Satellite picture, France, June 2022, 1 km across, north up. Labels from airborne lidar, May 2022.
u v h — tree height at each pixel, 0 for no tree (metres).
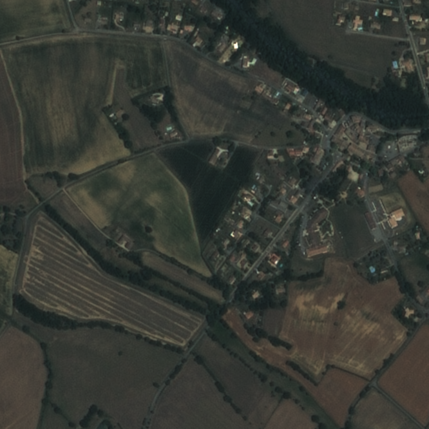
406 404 0
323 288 0
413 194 0
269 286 10
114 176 0
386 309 0
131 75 0
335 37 0
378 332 0
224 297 13
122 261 0
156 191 0
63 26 0
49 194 0
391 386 0
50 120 0
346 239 0
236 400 0
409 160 6
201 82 0
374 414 0
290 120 0
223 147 0
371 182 0
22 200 0
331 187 12
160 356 0
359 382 0
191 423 0
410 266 0
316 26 0
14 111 0
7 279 0
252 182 0
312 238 0
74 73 0
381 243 0
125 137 9
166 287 0
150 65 0
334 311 0
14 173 0
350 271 0
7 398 0
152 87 0
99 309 0
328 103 13
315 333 0
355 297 0
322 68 16
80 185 0
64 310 0
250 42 15
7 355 0
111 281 0
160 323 0
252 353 18
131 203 0
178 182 0
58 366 0
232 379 0
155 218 0
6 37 0
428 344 0
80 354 0
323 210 0
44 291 0
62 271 0
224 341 0
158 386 7
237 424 0
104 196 0
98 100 0
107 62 0
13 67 0
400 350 0
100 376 0
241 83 0
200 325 0
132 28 0
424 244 7
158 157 0
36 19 0
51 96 0
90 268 0
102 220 0
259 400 0
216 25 13
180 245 0
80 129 0
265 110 0
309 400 0
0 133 0
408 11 10
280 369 21
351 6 0
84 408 0
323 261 0
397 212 0
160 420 0
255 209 10
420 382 0
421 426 0
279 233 0
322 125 6
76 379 0
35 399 0
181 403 0
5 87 0
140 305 0
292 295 0
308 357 0
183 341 0
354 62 0
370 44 0
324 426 20
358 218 0
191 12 7
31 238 0
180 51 0
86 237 0
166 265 0
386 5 0
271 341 11
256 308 13
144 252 0
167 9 10
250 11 17
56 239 0
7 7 0
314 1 0
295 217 0
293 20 0
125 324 0
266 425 0
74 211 0
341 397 0
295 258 0
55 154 0
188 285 0
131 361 0
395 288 0
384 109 33
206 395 0
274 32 18
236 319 0
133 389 0
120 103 0
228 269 0
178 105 0
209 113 0
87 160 0
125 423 0
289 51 19
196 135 0
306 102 0
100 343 0
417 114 31
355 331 0
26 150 0
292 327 0
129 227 0
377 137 0
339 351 0
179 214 0
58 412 16
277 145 0
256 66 0
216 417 0
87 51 0
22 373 0
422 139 12
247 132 0
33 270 0
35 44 0
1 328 0
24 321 0
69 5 0
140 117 0
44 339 0
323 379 0
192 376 0
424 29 6
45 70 0
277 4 0
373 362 0
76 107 0
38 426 0
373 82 6
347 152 10
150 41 0
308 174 14
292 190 0
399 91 26
